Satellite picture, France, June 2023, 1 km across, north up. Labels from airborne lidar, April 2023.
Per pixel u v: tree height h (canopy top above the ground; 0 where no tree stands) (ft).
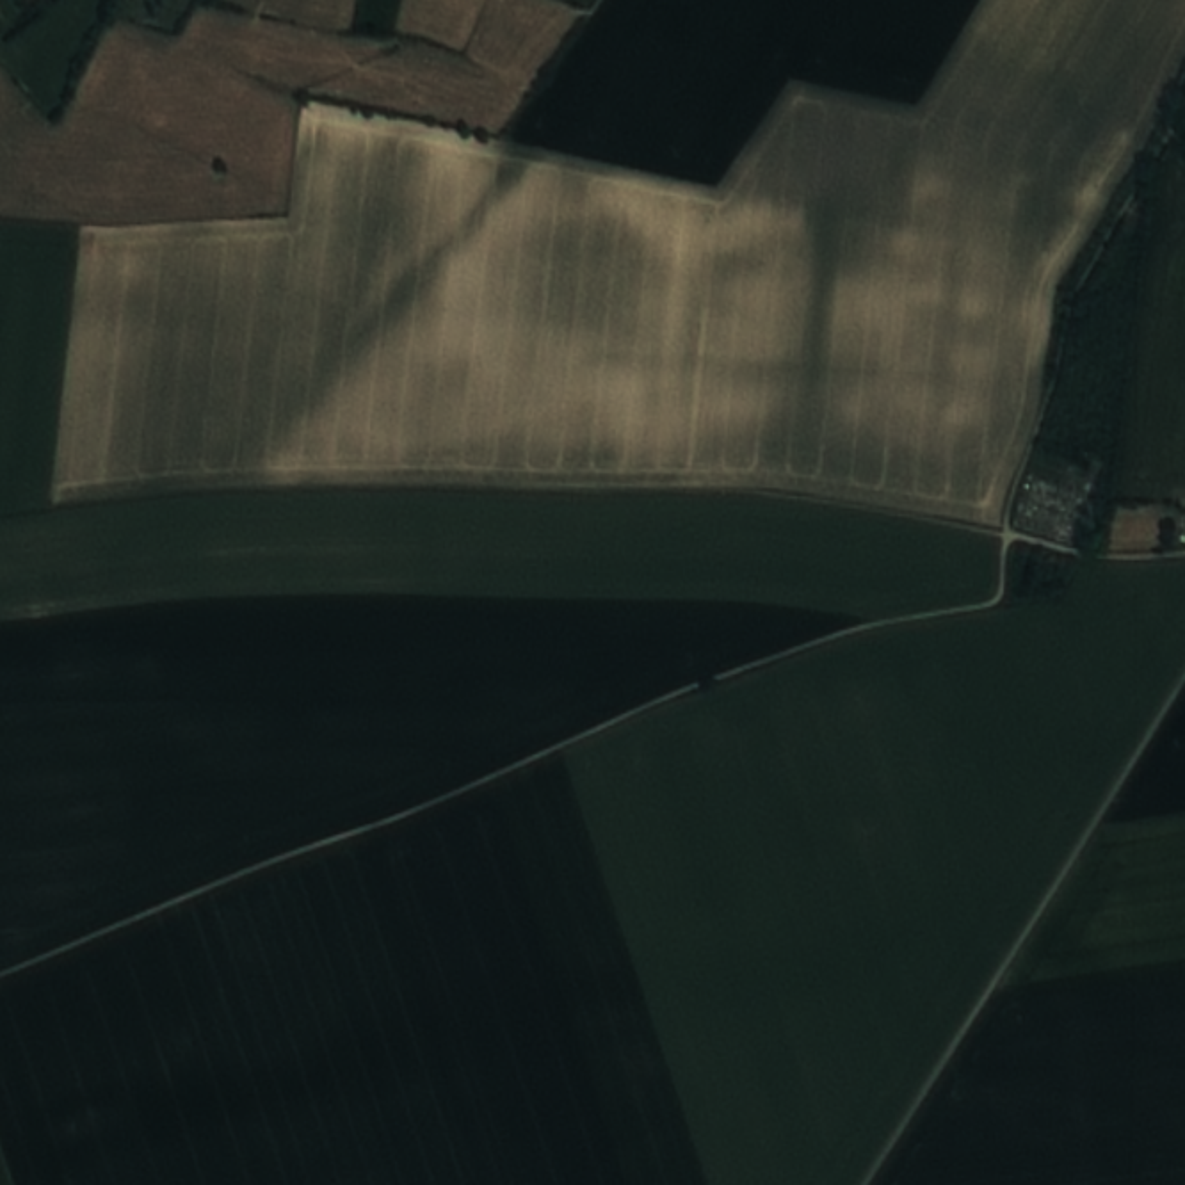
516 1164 0
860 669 0
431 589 0
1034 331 0
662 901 0
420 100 0
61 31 0
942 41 0
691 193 0
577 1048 0
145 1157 0
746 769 0
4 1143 0
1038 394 0
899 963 0
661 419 0
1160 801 0
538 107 0
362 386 0
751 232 0
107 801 0
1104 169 0
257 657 0
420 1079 0
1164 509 0
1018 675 0
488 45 0
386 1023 0
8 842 0
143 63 0
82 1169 0
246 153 0
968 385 0
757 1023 0
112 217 0
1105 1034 0
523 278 0
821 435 0
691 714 0
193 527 0
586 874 0
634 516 0
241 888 0
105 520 0
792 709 0
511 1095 0
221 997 0
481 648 0
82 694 0
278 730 0
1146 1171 0
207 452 0
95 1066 0
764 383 0
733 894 0
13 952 0
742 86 0
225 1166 0
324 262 0
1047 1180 0
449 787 0
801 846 0
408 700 0
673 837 0
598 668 0
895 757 0
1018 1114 0
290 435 0
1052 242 0
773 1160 0
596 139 0
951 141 0
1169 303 0
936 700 0
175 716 0
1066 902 0
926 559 0
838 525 0
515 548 0
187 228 0
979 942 0
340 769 0
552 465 0
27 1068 0
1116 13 0
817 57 0
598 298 0
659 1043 0
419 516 0
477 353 0
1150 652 0
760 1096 0
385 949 0
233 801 0
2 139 0
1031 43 0
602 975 0
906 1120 0
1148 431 0
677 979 0
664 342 0
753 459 0
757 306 0
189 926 0
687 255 0
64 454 0
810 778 0
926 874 0
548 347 0
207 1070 0
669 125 0
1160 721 0
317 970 0
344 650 0
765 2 0
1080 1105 0
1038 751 0
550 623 0
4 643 0
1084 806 0
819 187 0
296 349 0
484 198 0
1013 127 0
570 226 0
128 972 0
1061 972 0
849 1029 0
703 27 0
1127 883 0
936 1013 0
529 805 0
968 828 0
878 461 0
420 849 0
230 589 0
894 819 0
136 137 0
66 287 0
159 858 0
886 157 0
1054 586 37
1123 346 20
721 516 0
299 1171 0
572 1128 0
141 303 0
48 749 0
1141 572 0
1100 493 35
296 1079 0
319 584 0
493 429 0
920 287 0
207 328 0
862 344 0
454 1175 0
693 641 0
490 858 0
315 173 0
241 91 0
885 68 0
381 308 0
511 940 0
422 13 0
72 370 0
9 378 0
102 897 0
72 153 0
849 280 0
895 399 0
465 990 0
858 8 0
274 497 0
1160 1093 0
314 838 0
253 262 0
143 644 0
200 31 0
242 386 0
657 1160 0
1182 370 0
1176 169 0
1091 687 0
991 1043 0
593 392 0
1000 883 0
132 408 0
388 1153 0
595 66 0
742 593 0
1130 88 0
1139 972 0
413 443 0
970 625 0
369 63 0
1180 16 0
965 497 0
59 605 0
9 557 0
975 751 0
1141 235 27
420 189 0
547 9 0
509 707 0
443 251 0
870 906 0
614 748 0
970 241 0
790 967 0
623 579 0
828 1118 0
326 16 0
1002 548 0
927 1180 0
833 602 0
